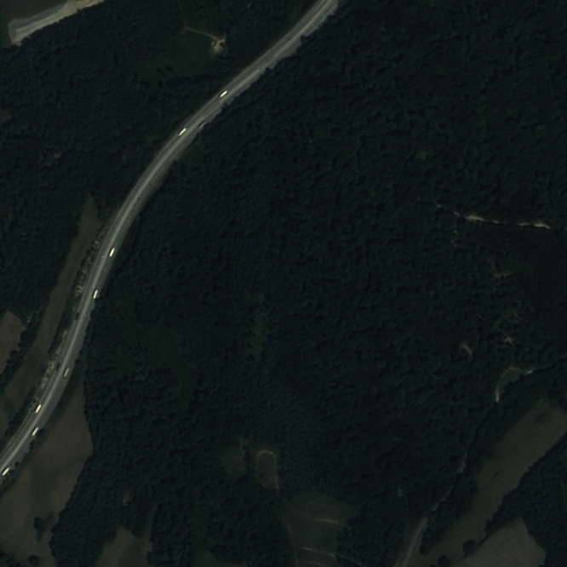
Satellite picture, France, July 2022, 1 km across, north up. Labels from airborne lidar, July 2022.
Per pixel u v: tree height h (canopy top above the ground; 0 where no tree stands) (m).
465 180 30
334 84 23
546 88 30
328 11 0
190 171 19
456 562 0
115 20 25
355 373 31
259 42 19
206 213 22
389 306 30
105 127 18
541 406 0
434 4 26
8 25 0
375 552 26
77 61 19
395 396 23
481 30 31
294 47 0
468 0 27
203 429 27
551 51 28
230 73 17
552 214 23
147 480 23
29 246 18
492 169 30
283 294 26
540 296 15
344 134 20
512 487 0
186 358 22
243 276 25
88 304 0
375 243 30
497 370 21
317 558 0
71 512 13
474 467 24
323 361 28
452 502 19
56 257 13
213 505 31
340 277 27
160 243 29
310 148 29
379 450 25
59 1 0
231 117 21
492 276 26
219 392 30
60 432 0
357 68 25
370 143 29
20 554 0
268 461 0
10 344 0
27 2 0
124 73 23
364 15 30
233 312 30
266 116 25
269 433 13
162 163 0
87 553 20
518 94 31
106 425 20
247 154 26
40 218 16
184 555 23
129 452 18
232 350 25
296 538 0
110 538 13
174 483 24
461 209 28
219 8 22
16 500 0
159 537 26
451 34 28
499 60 30
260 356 0
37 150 21
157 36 21
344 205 26
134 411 28
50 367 0
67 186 22
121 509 12
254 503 26
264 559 22
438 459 27
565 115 28
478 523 0
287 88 22
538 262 10
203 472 26
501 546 0
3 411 0
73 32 24
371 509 26
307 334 30
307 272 27
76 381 0
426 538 11
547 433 0
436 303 26
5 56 33
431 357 27
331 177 29
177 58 0
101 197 18
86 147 17
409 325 29
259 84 13
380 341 30
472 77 33
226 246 27
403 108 27
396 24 32
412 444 28
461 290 28
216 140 22
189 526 18
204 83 33
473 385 26
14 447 0
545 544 19
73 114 22
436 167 29
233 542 26
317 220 26
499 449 0
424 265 27
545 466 18
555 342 24
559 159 28
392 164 25
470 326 26
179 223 25
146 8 20
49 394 0
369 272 28
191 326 18
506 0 25
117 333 26
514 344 15
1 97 20
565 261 12
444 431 30
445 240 27
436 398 27
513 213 12
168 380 24
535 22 29
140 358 23
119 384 22
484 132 29
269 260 23
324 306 29
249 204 29
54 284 14
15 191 27
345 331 29
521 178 27
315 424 27
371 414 24
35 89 27
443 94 31
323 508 0
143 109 25
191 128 0
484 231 10
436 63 31
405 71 29
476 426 7
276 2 23
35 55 12
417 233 28
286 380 25
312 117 33
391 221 26
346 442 23
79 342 0
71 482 0
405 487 30
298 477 24
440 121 27
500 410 26
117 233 0
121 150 20
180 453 27
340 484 24
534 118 32
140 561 0
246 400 21
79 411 0
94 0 0
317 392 28
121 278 23
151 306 26
